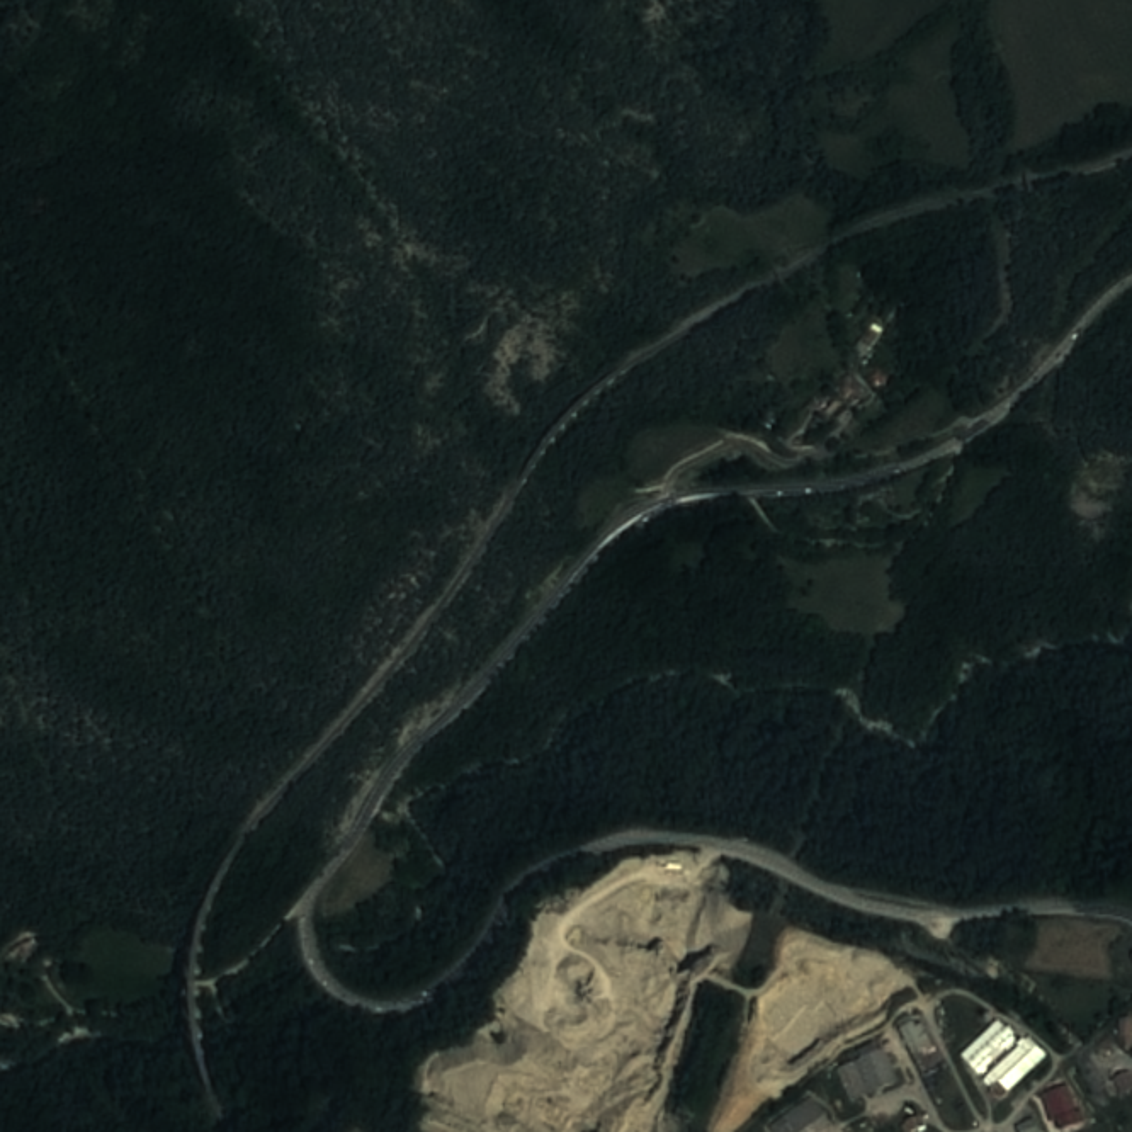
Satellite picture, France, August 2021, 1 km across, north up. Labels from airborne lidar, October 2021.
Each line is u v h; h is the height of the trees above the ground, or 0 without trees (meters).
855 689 0
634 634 12
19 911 11
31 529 16
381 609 11
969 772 13
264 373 17
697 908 0
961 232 14
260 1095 24
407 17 7
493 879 16
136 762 7
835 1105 0
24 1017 6
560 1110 0
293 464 16
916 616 17
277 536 9
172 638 11
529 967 0
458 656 11
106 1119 14
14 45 26
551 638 13
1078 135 17
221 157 11
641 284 12
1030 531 15
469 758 13
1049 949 0
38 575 10
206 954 9
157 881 13
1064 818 17
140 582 11
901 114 0
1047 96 0
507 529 6
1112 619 16
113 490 11
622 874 0
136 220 14
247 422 15
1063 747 19
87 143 11
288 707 8
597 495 0
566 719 7
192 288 14
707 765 13
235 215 13
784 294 6
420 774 9
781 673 10
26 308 16
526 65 7
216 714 15
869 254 18
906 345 13
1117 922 0
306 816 9
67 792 12
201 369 13
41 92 6
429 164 9
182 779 10
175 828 8
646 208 11
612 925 0
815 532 11
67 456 14
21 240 14
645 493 0
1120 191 10
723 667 13
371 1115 12
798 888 6
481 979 9
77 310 13
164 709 9
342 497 7
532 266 11
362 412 11
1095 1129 0
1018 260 9
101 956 0
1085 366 13
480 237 14
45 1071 13
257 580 9
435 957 9
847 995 0
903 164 10
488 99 9
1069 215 16
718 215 0
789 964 0
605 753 10
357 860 0
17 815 10
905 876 15
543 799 12
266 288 16
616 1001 0
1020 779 9
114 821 11
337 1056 18
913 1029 0
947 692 14
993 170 10
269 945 10
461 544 7
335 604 7
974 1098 0
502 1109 0
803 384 10
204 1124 14
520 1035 0
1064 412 12
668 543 24
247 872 16
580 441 15
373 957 6
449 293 8
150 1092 26
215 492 12
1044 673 13
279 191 7
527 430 10
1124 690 9
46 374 14
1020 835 23
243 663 11
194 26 15
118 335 16
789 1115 0
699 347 8
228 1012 14
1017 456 18
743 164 13
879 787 18
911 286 16
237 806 12
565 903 0
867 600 0
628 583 14
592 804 16
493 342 9
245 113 11
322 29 7
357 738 6
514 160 9
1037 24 0
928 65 0
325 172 7
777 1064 0
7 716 6
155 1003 15
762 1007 0
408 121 9
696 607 14
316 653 9
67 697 8
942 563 13
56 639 8
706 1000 6
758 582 17
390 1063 15
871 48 0
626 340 11
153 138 15
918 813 16
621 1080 0
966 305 13
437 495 8
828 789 17
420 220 8
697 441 0
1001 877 22
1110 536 8
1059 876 12
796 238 0
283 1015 11
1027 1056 0
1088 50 0
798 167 13
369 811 0
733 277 14
